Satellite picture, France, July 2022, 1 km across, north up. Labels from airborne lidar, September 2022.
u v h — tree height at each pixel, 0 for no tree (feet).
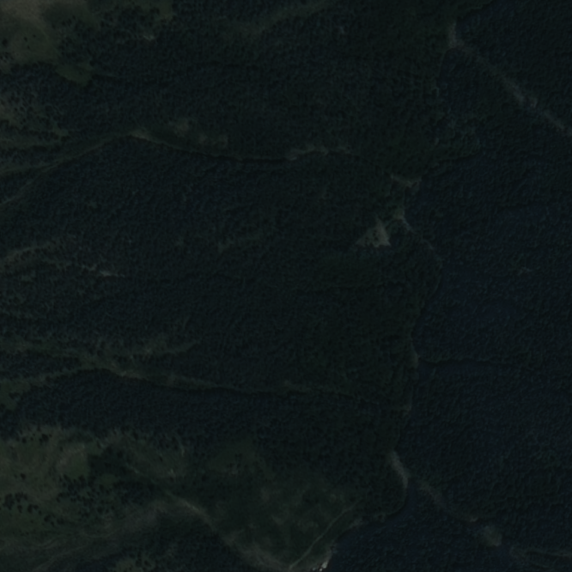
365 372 86
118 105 43
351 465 78
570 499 102
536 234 98
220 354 79
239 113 68
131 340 53
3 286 45
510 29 53
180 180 84
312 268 69
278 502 20
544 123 19
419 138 40
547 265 69
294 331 70
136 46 75
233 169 89
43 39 0
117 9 28
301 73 67
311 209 65
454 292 75
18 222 37
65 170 46
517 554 0
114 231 39
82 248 30
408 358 73
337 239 69
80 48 43
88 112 38
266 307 68
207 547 49
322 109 64
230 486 34
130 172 82
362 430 74
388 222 22
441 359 64
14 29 0
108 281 48
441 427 89
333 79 56
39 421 37
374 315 119
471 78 68
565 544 64
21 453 0
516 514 108
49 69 35
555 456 20
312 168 49
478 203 83
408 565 123
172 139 19
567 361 67
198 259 88
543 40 120
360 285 91
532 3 66
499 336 74
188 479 21
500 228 29
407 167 40
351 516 33
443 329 93
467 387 75
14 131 43
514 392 74
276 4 31
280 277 73
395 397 55
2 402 0
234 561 47
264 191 64
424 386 110
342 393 21
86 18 0
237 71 86
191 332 65
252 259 84
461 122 66
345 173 50
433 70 82
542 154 89
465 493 94
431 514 98
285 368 71
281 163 62
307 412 69
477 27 82
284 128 43
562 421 42
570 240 68
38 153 62
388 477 119
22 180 24
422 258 81
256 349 92
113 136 22
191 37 42
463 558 83
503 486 103
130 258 48
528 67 101
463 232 88
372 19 93
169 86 82
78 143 21
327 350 71
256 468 28
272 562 0
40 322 38
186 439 87
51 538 0
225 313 85
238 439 30
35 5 0
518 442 85
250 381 102
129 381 42
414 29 83
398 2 65
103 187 60
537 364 81
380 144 77
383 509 21
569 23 102
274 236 81
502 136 85
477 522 0
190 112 57
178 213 91
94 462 32
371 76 23
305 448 69
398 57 109
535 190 75
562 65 111
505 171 92
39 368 48
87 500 39
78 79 0
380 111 106
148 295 81
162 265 92
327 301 82
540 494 83
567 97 105
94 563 32
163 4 0
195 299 90
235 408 101
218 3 72
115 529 0
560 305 80
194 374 71
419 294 97
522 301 96
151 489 66
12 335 30
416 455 46
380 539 52
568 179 121
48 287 53
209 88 81
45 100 46
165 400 60
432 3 43
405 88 87
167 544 24
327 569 0
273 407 96
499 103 61
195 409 86
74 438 32
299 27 65
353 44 97
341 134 57
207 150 26
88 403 56
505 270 88
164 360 68
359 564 68
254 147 57
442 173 20
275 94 89
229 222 63
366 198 84
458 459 66
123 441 33
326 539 20
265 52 38
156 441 34
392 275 99
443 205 71
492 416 54
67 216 72
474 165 101
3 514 0
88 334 44
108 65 55
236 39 33
